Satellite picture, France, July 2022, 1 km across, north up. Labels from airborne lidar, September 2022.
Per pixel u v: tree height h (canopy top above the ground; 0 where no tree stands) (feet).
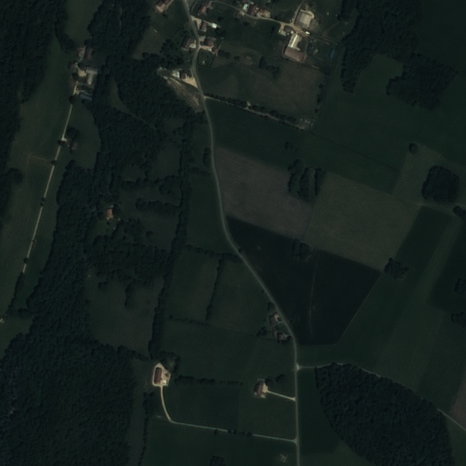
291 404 0
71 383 36
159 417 0
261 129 0
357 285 0
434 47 0
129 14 30
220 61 0
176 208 52
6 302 0
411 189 0
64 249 40
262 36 0
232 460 0
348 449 0
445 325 0
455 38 0
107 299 0
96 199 45
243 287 0
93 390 53
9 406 61
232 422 0
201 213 0
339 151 0
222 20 52
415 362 0
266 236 0
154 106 55
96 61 0
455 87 0
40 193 0
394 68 0
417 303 0
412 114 0
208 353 0
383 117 0
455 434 0
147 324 0
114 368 56
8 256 0
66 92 0
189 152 60
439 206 0
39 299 62
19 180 60
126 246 40
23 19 68
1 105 75
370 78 0
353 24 0
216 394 0
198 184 0
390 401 82
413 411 81
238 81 0
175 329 0
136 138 44
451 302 0
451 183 72
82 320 49
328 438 0
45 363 52
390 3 53
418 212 0
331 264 0
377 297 0
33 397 55
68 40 65
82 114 0
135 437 0
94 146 0
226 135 0
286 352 0
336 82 0
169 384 0
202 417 0
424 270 0
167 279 54
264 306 0
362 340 0
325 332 0
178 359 42
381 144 0
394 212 0
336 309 0
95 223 59
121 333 0
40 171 0
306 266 0
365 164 0
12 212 0
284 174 0
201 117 21
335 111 0
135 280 27
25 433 23
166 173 0
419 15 32
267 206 0
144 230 60
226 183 0
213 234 0
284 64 0
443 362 0
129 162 46
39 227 0
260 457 0
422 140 0
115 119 54
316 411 0
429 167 0
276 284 0
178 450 0
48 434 40
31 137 0
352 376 46
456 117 0
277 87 0
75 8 0
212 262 0
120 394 69
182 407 0
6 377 66
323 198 0
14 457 50
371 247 0
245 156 0
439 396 0
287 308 0
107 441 36
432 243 0
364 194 0
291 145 47
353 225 0
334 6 0
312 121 0
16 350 56
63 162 0
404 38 64
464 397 0
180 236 55
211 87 0
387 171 0
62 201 60
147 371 0
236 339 0
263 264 0
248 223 0
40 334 52
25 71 61
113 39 58
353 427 59
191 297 0
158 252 54
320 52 0
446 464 66
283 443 0
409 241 0
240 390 0
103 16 55
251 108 44
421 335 0
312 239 0
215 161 0
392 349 0
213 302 22
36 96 0
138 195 0
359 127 0
